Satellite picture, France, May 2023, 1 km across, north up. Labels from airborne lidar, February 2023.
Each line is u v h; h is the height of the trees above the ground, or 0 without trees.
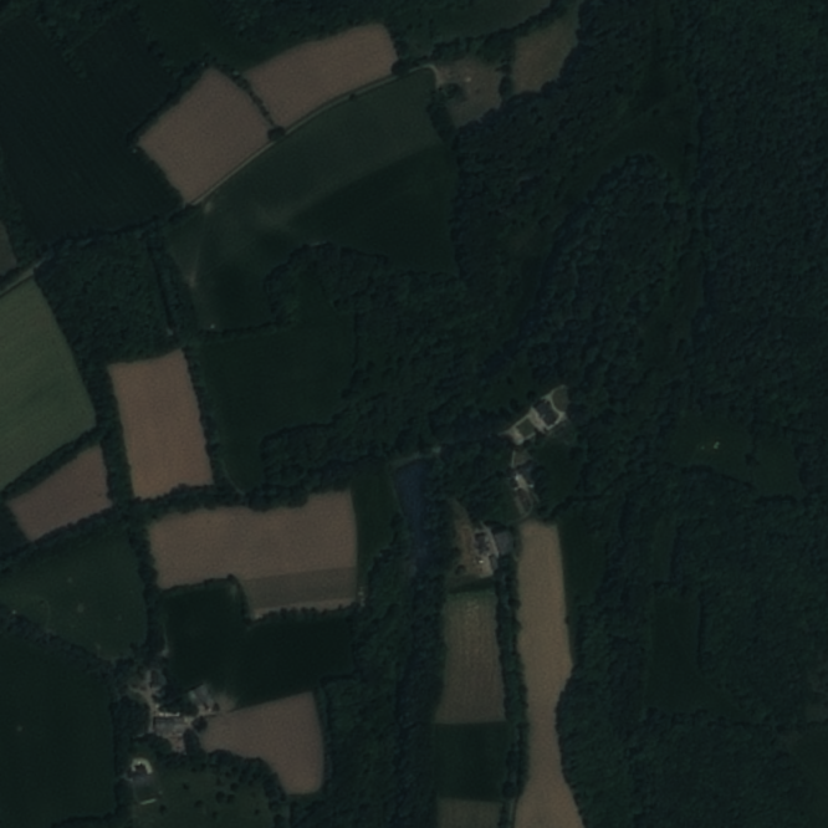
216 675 0
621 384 29
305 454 31
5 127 0
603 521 15
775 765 17
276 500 24
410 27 7
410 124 0
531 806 0
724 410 17
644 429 8
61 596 0
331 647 0
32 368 0
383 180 0
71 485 0
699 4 28
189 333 17
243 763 12
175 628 0
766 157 28
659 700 0
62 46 15
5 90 0
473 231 30
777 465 0
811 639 12
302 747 0
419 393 9
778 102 23
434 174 0
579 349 17
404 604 10
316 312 0
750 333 21
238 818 0
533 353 26
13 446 0
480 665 0
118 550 0
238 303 0
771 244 27
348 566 0
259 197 0
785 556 25
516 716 17
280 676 0
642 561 21
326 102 0
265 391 0
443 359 12
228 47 0
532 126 30
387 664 23
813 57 26
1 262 0
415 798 26
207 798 0
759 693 13
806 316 22
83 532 20
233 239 0
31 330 0
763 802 16
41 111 0
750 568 27
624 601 29
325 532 0
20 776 0
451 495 20
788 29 23
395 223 0
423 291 18
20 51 0
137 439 0
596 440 22
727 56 25
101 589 0
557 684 0
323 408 0
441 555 26
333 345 0
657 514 19
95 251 24
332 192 0
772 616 15
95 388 18
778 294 25
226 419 0
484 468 21
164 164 0
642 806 18
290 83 0
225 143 0
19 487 9
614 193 24
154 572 13
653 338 0
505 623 14
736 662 17
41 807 0
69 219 0
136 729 21
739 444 0
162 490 0
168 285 21
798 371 24
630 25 30
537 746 0
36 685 0
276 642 0
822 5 23
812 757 0
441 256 0
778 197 30
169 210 0
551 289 21
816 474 20
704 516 20
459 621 0
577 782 22
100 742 0
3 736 0
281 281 20
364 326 15
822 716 0
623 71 26
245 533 0
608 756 26
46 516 0
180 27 0
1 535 0
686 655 0
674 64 6
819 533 27
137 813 15
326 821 18
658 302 22
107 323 21
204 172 0
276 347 0
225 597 0
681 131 0
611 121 21
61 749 0
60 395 0
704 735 15
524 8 0
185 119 0
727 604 18
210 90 0
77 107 0
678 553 15
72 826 19
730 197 27
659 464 17
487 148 31
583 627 20
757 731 14
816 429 21
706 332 25
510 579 9
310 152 0
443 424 17
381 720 16
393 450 12
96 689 0
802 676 9
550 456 0
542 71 0
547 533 0
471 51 8
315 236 0
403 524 16
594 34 28
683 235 24
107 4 19
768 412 17
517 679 16
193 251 0
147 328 20
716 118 28
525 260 0
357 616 20
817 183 31
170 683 14
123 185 0
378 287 14
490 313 15
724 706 0
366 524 0
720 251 34
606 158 0
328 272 9
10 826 0
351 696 20
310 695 0
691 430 0
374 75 0
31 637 21
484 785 0
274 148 0
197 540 0
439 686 23
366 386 16
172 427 0
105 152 0
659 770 18
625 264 23
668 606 0
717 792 17
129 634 0
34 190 0
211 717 0
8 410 0
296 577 0
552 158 29
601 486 23
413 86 0
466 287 25
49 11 19
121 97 0
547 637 0
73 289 22
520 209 29
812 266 26
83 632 0
